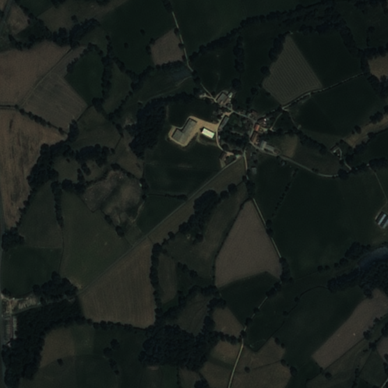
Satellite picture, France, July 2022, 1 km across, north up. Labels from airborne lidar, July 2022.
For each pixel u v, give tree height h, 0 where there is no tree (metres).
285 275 20
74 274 0
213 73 0
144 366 17
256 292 0
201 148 0
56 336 0
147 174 0
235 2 0
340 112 0
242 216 0
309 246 0
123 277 0
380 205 0
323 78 0
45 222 0
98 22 10
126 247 0
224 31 0
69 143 12
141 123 24
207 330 22
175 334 32
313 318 0
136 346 0
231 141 8
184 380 0
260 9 0
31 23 18
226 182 0
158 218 0
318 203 0
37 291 23
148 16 0
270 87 0
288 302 0
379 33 0
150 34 0
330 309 0
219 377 0
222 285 0
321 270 19
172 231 0
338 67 0
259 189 0
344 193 0
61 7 0
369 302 0
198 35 0
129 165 0
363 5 23
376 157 0
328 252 0
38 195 0
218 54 0
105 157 23
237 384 0
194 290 16
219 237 0
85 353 0
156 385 0
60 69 0
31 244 0
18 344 19
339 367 0
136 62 0
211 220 0
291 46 0
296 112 0
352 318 0
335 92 0
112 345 13
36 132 0
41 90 0
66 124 0
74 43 18
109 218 12
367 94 0
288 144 0
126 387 0
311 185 0
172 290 0
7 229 0
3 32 0
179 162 0
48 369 0
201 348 27
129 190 0
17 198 0
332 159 0
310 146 20
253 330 0
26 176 0
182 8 0
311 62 0
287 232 0
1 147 0
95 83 0
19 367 19
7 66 0
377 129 0
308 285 0
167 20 0
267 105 0
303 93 0
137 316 0
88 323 13
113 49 20
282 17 21
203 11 0
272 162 0
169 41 0
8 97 0
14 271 0
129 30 0
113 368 18
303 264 0
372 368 0
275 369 0
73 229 0
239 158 0
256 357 0
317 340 0
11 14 0
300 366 0
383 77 0
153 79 0
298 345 0
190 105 0
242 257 0
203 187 0
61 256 0
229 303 0
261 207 0
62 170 0
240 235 0
